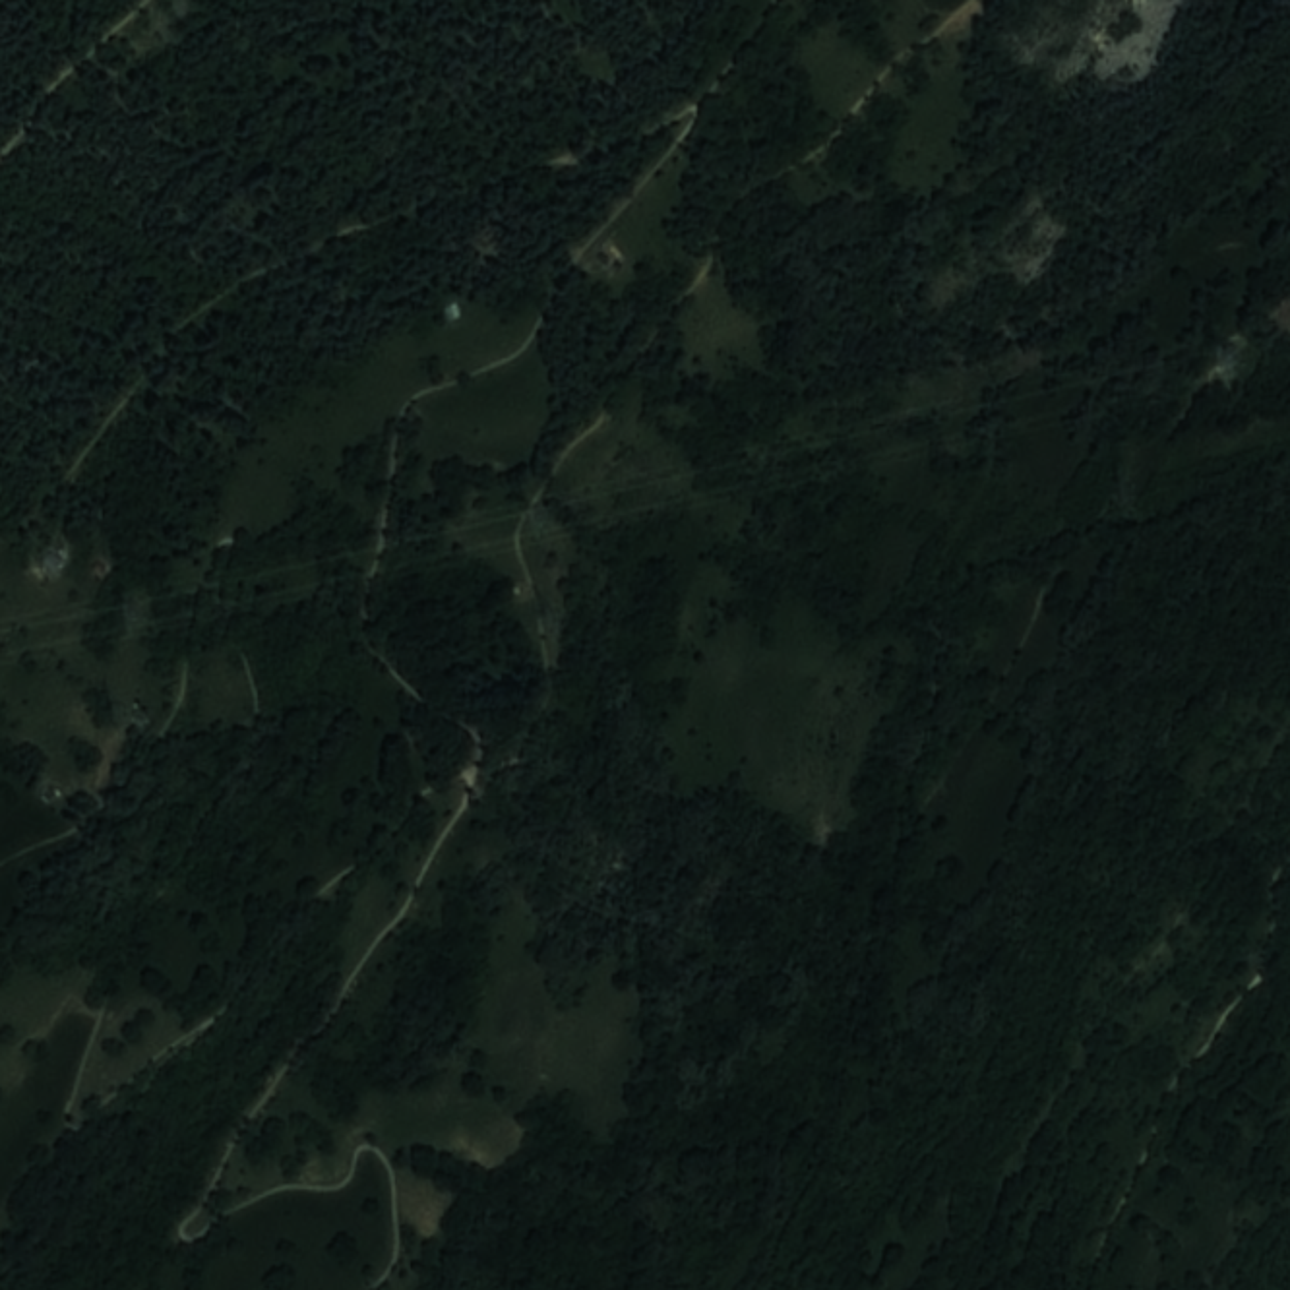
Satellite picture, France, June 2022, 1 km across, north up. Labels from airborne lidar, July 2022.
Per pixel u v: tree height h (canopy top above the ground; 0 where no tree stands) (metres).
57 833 0
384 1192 0
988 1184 16
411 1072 23
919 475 0
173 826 17
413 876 0
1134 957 11
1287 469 21
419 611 17
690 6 16
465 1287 17
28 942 12
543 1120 16
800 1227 14
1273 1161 12
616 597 13
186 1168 11
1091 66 7
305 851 11
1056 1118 7
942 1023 17
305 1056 16
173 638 13
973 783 0
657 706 6
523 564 0
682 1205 20
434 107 10
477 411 0
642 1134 14
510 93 23
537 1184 17
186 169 16
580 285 23
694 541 0
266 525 0
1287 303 16
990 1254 18
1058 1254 20
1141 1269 0
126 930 7
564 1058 0
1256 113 18
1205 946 9
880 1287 12
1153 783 14
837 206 15
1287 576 19
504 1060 0
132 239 10
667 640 6
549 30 31
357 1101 17
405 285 30
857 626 6
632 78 27
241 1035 14
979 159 8
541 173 14
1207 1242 0
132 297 7
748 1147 15
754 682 0
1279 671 11
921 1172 17
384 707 0
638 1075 10
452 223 18
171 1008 9
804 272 22
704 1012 7
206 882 10
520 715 17
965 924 17
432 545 17
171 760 24
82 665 0
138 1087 6
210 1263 18
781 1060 6
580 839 18
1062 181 13
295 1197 0
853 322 21
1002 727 18
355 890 11
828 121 13
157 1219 17
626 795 24
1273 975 17
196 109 9
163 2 7
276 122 14
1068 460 0
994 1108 17
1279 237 22
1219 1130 13
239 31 20
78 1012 0
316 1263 0
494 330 0
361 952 0
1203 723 11
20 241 24
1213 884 11
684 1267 14
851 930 8
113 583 8
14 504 12
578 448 0
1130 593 19
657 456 0
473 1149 0
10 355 29
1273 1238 12
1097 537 13
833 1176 12
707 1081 19
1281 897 16
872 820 9
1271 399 12
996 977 21
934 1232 0
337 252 19
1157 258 26
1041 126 16
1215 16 24
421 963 12
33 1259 22
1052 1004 15
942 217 24
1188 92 20
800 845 7
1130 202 21
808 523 14
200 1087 17
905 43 0
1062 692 10
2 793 8
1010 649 0
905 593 6
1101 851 11
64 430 6
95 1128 14
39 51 19
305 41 13
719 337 0
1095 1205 12
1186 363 13
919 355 26
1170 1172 13
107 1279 10
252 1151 14
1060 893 12
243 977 16
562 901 11
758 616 6
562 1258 21
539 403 0
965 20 0
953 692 16
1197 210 24
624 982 17
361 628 12
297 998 25
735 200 10
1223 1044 11
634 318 16
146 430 13
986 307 17
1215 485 12
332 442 0
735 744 0
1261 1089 12
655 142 14
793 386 9
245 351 14
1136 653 15
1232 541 16
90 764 9
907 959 8
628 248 0
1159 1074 12
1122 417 17
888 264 8
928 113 0
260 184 27
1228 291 24
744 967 16
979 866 0
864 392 6
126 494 14
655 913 17
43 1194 21
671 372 15
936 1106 16
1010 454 12
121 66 24
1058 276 19
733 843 19
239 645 9
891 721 10
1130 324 23
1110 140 21
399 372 0
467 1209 17
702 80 19
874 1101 6
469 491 9
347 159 9
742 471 9
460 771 15
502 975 0
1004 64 8
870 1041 15
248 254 26
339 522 7
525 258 22
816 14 10
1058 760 20
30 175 10
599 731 15
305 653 12
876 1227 11
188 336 12
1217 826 13
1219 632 22
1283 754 12
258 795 18
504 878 16
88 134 22
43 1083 0
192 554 13
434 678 28
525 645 8
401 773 26
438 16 30
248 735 15
